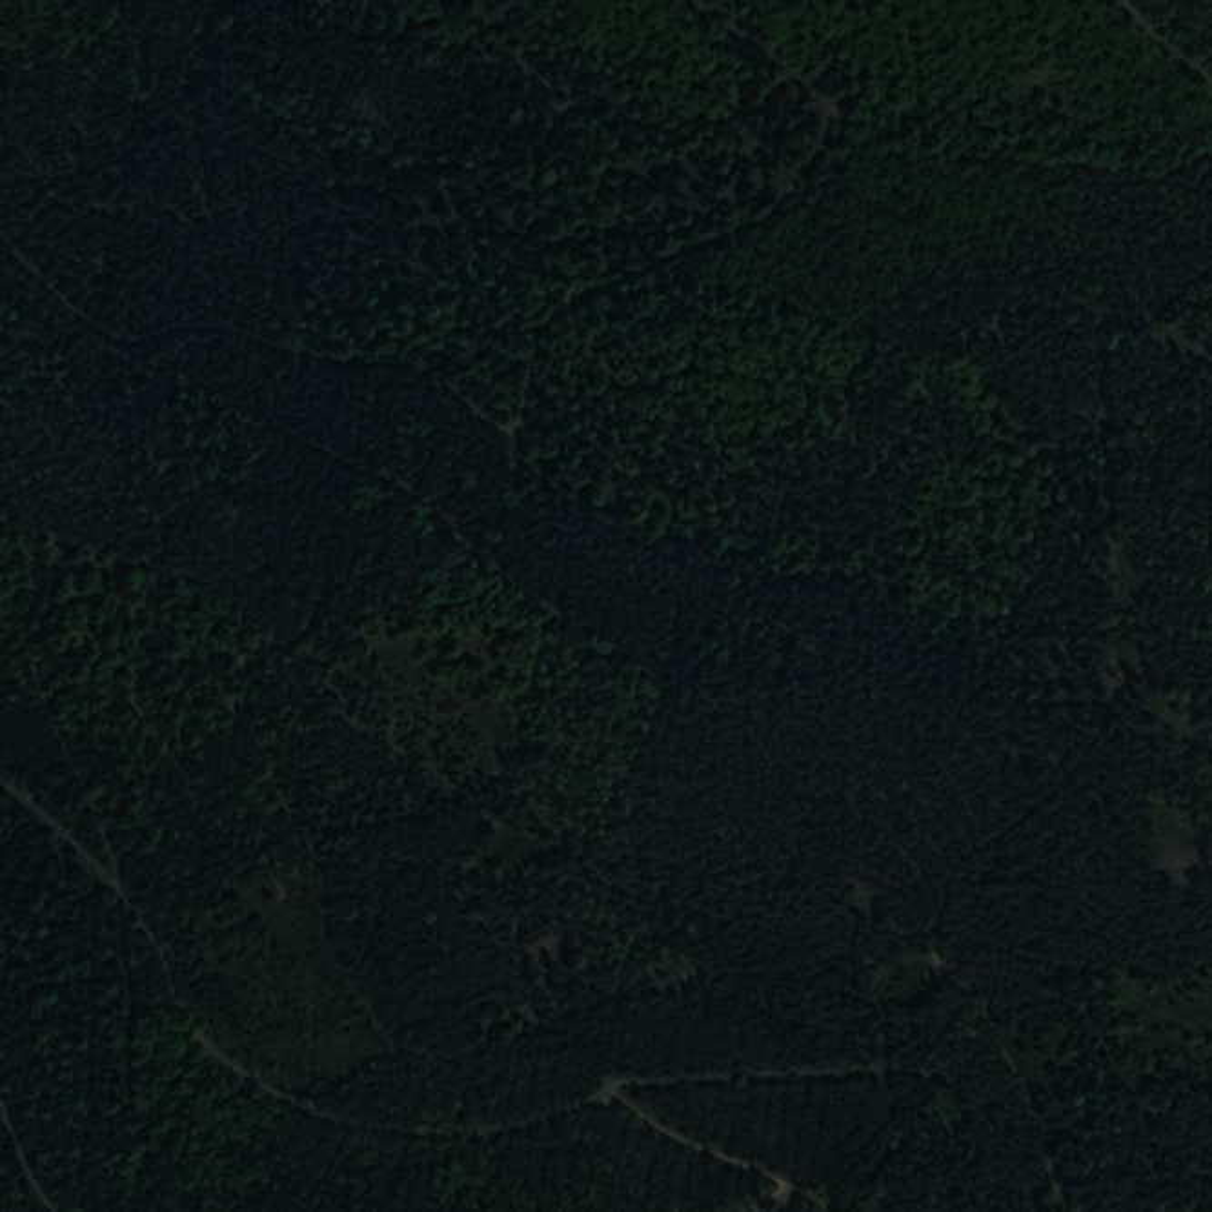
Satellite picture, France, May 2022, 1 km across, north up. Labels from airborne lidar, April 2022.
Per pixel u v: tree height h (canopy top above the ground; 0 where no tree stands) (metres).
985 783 24
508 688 20
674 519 15
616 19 14
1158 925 22
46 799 11
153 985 13
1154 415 26
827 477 25
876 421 23
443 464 13
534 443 20
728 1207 13
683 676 13
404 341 24
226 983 9
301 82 29
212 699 12
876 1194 22
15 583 22
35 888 14
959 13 9
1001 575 17
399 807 11
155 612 8
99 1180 18
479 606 23
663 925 21
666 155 13
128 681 15
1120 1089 13
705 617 22
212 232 20
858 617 24
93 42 14
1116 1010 14
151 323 17
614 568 22
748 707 25
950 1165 31
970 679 21
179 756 8
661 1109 17
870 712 27
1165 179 14
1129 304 15
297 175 31
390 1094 21
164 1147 17
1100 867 22
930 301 17
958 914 25
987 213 12
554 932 26
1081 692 21
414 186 21
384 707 9
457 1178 16
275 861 7
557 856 15
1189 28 19
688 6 7
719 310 19
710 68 17
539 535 19
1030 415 24
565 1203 15
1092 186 17
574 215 14
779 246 13
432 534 14
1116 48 12
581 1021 19
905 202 16
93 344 17
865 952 20
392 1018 13
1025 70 8
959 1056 26
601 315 13
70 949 11
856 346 16
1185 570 24
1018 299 16
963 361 22
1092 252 14
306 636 17
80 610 15
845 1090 17
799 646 21
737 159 11
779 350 16
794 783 25
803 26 21
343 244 37
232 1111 13
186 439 20
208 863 14
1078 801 26
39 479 25
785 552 14
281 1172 16
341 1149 18
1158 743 19
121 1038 17
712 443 20
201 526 23
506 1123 18
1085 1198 17
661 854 25
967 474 22
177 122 27
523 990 25
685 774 24
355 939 16
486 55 7
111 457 32
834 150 16
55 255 21
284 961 11
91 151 24
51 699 7
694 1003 21
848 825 27
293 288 17
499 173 19
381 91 26
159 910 15
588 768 26
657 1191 15
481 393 22
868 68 14
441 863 24
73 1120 20
